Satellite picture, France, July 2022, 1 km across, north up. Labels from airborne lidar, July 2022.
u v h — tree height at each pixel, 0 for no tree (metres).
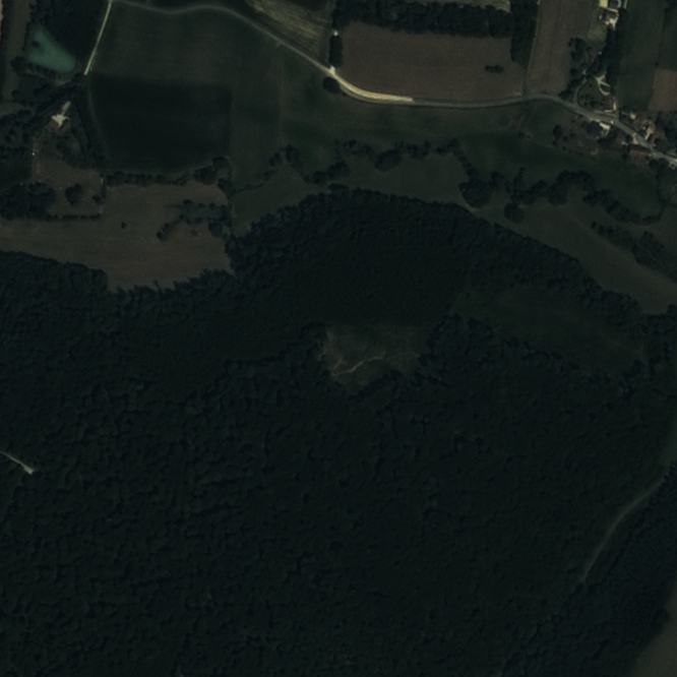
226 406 30
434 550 32
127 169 0
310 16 0
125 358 24
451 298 13
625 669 23
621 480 32
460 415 33
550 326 0
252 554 32
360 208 17
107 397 25
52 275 28
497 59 0
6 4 14
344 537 29
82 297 31
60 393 24
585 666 29
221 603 33
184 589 27
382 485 33
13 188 8
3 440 26
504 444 29
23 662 12
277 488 32
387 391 28
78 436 25
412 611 29
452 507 26
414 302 13
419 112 0
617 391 29
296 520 30
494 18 26
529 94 0
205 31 0
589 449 27
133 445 29
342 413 31
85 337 29
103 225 0
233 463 27
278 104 0
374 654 29
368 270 14
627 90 0
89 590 25
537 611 25
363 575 28
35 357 32
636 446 25
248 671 25
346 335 0
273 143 0
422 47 0
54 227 0
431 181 0
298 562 10
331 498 29
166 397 21
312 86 0
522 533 28
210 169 10
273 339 12
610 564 8
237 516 29
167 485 23
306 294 17
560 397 28
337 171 20
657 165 19
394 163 20
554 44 0
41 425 27
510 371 30
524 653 16
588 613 28
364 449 33
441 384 29
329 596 29
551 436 30
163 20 0
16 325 18
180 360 12
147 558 24
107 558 24
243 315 14
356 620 26
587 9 0
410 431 30
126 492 24
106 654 25
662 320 18
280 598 33
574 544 27
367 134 0
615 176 0
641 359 0
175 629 19
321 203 26
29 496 25
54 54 0
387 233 11
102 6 14
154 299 32
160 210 0
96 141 11
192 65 0
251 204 0
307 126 0
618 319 13
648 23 0
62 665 21
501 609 27
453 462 31
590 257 0
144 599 28
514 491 26
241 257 27
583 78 6
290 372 25
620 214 23
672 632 0
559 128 11
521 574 24
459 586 25
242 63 0
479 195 24
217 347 13
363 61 0
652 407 23
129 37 0
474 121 0
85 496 25
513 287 10
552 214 0
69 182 0
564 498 27
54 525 23
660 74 0
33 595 26
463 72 0
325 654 24
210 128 0
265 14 0
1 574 26
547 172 0
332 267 16
